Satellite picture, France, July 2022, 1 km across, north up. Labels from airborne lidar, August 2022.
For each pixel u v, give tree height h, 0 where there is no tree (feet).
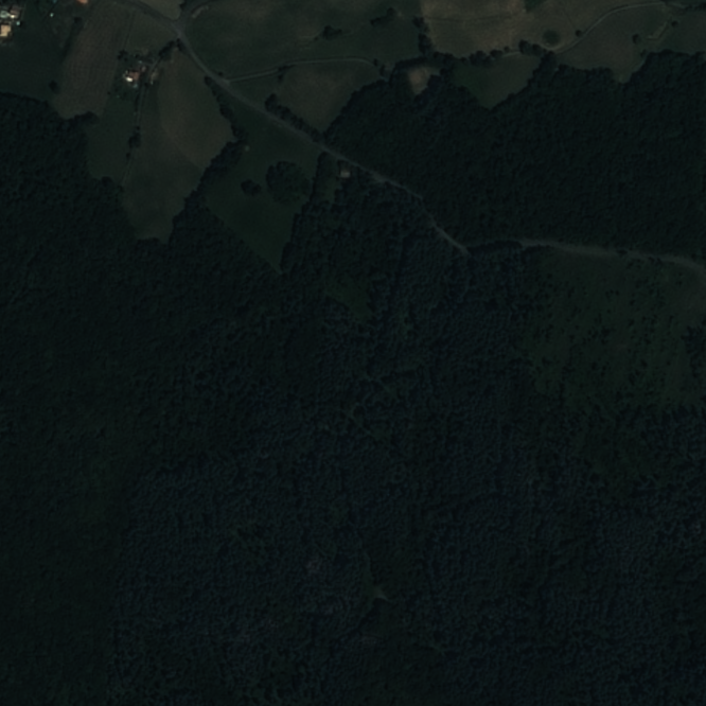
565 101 60
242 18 0
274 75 0
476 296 94
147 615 73
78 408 55
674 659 21
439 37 0
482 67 79
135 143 40
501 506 100
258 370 36
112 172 0
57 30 0
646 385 21
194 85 0
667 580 33
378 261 34
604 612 94
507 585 80
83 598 56
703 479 74
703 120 45
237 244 44
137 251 65
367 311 0
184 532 125
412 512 83
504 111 43
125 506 74
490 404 91
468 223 82
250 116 0
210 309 63
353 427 86
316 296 62
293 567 110
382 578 62
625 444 20
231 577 106
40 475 67
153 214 0
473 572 114
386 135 78
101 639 66
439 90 90
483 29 0
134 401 54
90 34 0
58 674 68
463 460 101
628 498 23
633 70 0
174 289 77
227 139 0
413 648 74
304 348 63
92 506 53
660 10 0
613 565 94
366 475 91
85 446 44
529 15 0
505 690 76
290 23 0
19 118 64
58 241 49
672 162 61
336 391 62
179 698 72
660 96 74
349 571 103
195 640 84
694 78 68
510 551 78
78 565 56
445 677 87
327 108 0
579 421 81
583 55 0
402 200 77
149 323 75
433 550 105
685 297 0
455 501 63
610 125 53
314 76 0
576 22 0
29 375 57
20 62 0
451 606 105
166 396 66
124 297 59
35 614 56
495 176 31
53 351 54
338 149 44
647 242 45
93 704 61
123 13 0
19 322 77
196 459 35
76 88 0
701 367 72
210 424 40
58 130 58
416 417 52
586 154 56
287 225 0
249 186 44
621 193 68
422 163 73
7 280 54
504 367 24
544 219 58
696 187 49
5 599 67
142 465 85
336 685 94
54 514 54
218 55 0
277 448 106
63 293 60
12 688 51
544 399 62
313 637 74
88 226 56
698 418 83
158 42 0
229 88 0
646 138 61
